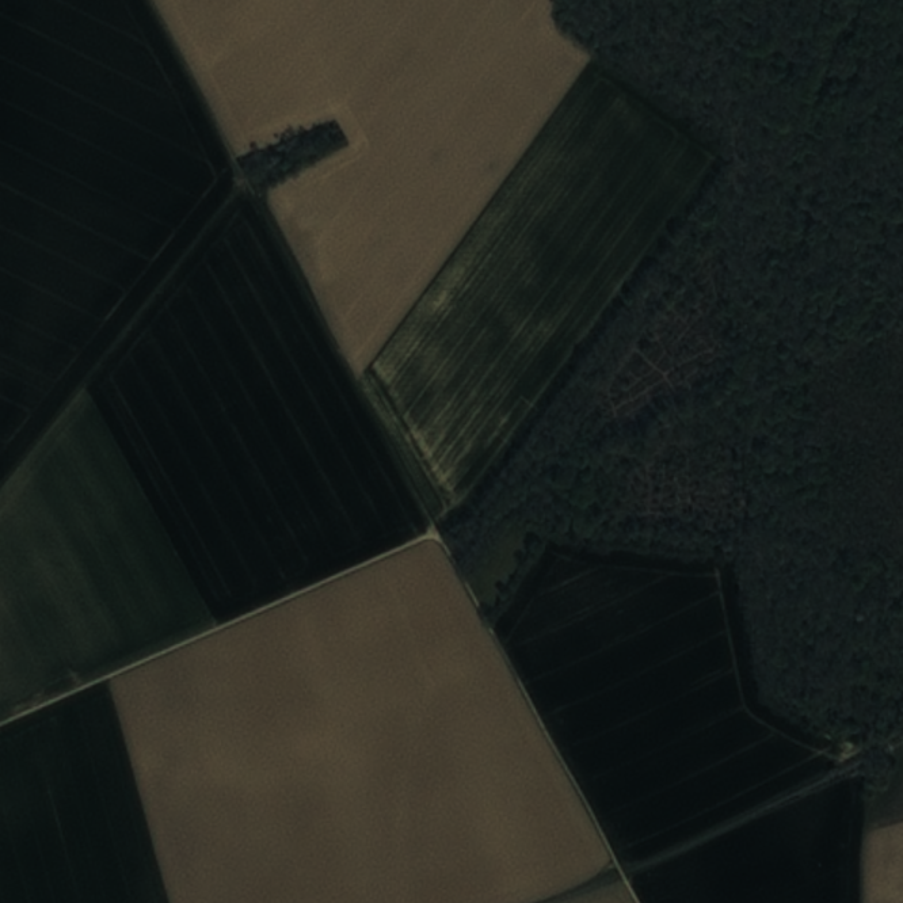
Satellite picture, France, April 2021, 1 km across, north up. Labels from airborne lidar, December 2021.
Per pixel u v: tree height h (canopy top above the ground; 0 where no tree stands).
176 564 0
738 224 19
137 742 0
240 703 0
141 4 0
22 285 0
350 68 0
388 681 0
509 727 0
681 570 0
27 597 0
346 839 0
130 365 0
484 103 0
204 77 0
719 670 0
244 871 0
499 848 0
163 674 0
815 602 24
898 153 25
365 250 0
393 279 0
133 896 0
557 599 0
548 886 0
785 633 18
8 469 0
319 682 0
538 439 24
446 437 0
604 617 0
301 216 0
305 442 0
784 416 20
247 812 0
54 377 0
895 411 16
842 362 18
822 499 21
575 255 0
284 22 0
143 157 0
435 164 0
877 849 0
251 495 0
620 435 25
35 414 0
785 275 20
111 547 0
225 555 0
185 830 0
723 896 0
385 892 0
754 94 21
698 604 0
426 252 0
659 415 24
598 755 0
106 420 0
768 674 18
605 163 0
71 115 0
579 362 18
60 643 0
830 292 23
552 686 0
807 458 23
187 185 0
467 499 0
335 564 0
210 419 0
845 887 0
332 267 0
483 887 0
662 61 23
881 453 16
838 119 22
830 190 19
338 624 0
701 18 16
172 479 0
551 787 0
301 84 0
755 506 21
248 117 0
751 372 22
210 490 0
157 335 0
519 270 0
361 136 0
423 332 0
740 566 17
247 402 0
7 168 0
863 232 15
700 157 0
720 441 18
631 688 0
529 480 13
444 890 0
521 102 0
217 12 0
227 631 0
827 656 11
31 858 0
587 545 14
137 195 0
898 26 23
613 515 18
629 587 0
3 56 0
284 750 0
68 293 0
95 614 0
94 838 0
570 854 0
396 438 0
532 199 0
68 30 0
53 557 0
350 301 0
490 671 0
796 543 26
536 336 0
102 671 0
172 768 0
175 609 0
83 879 0
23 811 0
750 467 15
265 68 0
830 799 0
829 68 11
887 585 19
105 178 0
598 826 0
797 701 13
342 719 0
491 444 0
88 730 0
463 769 0
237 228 0
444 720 0
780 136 26
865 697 20
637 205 0
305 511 0
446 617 0
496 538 21
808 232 20
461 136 0
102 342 0
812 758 0
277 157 17
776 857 0
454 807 0
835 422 17
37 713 0
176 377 0
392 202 0
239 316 0
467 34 0
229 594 0
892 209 18
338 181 0
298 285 0
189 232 0
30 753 0
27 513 0
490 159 0
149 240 0
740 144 14
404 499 0
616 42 9
